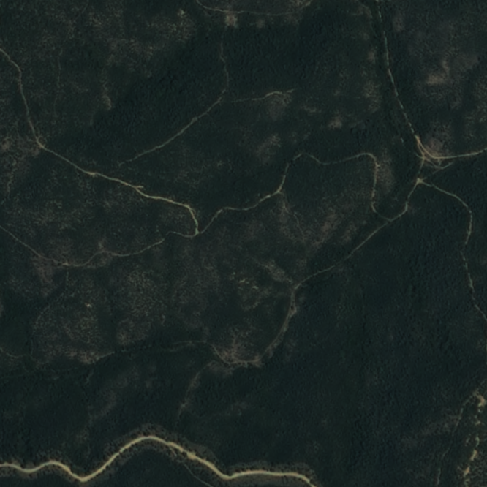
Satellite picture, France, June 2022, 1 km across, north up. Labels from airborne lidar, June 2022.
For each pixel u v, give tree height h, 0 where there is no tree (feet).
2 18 19
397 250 31
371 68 22
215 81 18
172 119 26
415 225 24
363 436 28
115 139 32
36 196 21
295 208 25
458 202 26
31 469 0
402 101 23
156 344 42
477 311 23
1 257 25
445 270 26
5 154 21
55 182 23
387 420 24
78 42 30
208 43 31
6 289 19
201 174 23
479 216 27
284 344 25
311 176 19
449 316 28
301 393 24
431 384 20
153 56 18
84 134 20
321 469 31
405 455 30
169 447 25
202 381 28
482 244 19
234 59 31
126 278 27
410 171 19
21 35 19
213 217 19
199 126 18
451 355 34
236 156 28
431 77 0
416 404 28
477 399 29
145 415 27
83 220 19
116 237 19
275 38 29
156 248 20
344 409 30
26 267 18
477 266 23
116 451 31
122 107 31
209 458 29
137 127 29
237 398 22
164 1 28
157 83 29
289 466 20
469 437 35
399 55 25
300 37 34
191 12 26
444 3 23
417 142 24
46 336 18
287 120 26
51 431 19
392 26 21
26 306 33
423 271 30
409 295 38
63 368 19
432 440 18
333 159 18
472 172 31
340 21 27
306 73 36
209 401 25
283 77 31
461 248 26
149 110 31
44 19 26
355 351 23
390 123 41
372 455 18
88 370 34
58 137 20
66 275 22
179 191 19
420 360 39
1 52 23
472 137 26
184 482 31
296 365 27
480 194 31
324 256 32
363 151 25
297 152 21
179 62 37
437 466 26
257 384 28
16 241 22
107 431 31
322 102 22
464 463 29
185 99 22
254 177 29
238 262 22
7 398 28
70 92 20
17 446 49
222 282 18
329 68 21
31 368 18
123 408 25
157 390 24
